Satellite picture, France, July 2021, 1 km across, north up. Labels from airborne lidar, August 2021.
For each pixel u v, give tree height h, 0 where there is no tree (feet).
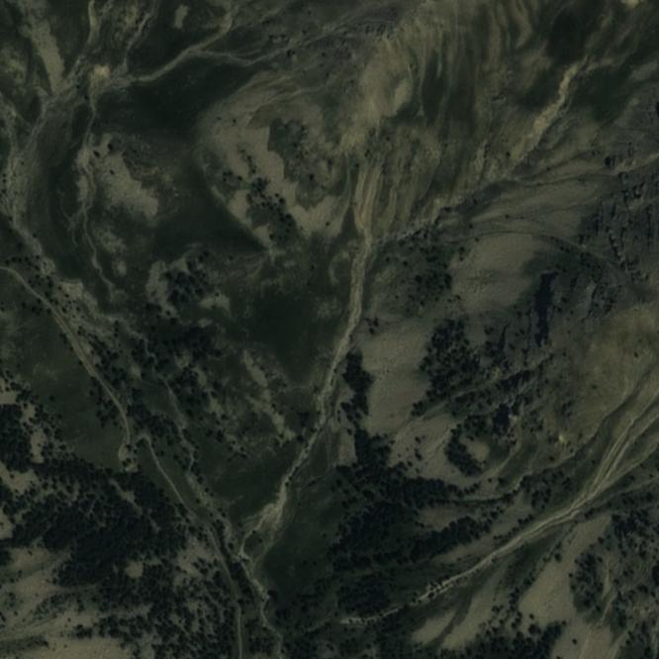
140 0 0
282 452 0
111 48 0
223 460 0
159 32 0
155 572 43
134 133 0
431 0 0
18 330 0
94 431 0
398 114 0
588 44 0
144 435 0
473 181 0
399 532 0
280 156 0
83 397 0
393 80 0
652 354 0
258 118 0
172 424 38
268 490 0
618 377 0
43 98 0
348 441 0
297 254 0
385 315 0
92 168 0
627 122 0
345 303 0
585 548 0
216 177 0
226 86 0
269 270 0
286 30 0
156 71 0
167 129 0
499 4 0
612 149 0
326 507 0
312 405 0
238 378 0
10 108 0
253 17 0
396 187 0
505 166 0
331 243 0
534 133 0
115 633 48
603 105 0
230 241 0
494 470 0
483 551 0
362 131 0
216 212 0
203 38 0
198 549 0
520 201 0
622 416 0
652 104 0
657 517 0
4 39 0
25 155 0
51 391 0
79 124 0
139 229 0
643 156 0
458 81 0
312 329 0
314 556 0
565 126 0
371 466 42
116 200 0
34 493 52
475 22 0
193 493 0
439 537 61
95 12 0
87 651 0
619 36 0
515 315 0
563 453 0
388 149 0
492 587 0
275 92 0
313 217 0
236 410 0
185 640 46
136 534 61
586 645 0
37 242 0
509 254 0
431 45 0
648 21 0
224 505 0
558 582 0
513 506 0
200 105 0
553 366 0
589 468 0
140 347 21
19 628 0
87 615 0
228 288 0
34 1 0
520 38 0
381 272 0
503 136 0
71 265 0
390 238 0
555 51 0
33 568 0
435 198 0
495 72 0
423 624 0
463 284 0
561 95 0
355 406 26
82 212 0
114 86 0
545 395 0
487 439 0
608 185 0
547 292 0
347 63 0
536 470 0
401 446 0
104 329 0
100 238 0
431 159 0
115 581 54
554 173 0
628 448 0
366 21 0
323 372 0
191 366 29
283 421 0
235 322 0
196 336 59
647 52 0
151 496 52
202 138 0
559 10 0
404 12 0
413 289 0
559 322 0
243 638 0
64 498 58
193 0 0
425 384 0
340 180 0
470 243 0
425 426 0
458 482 0
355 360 32
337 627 0
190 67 0
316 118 0
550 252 0
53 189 0
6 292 0
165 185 0
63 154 0
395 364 0
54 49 0
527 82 0
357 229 0
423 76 0
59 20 0
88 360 0
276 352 0
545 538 0
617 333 0
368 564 58
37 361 0
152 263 0
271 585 0
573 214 0
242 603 52
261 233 0
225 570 0
